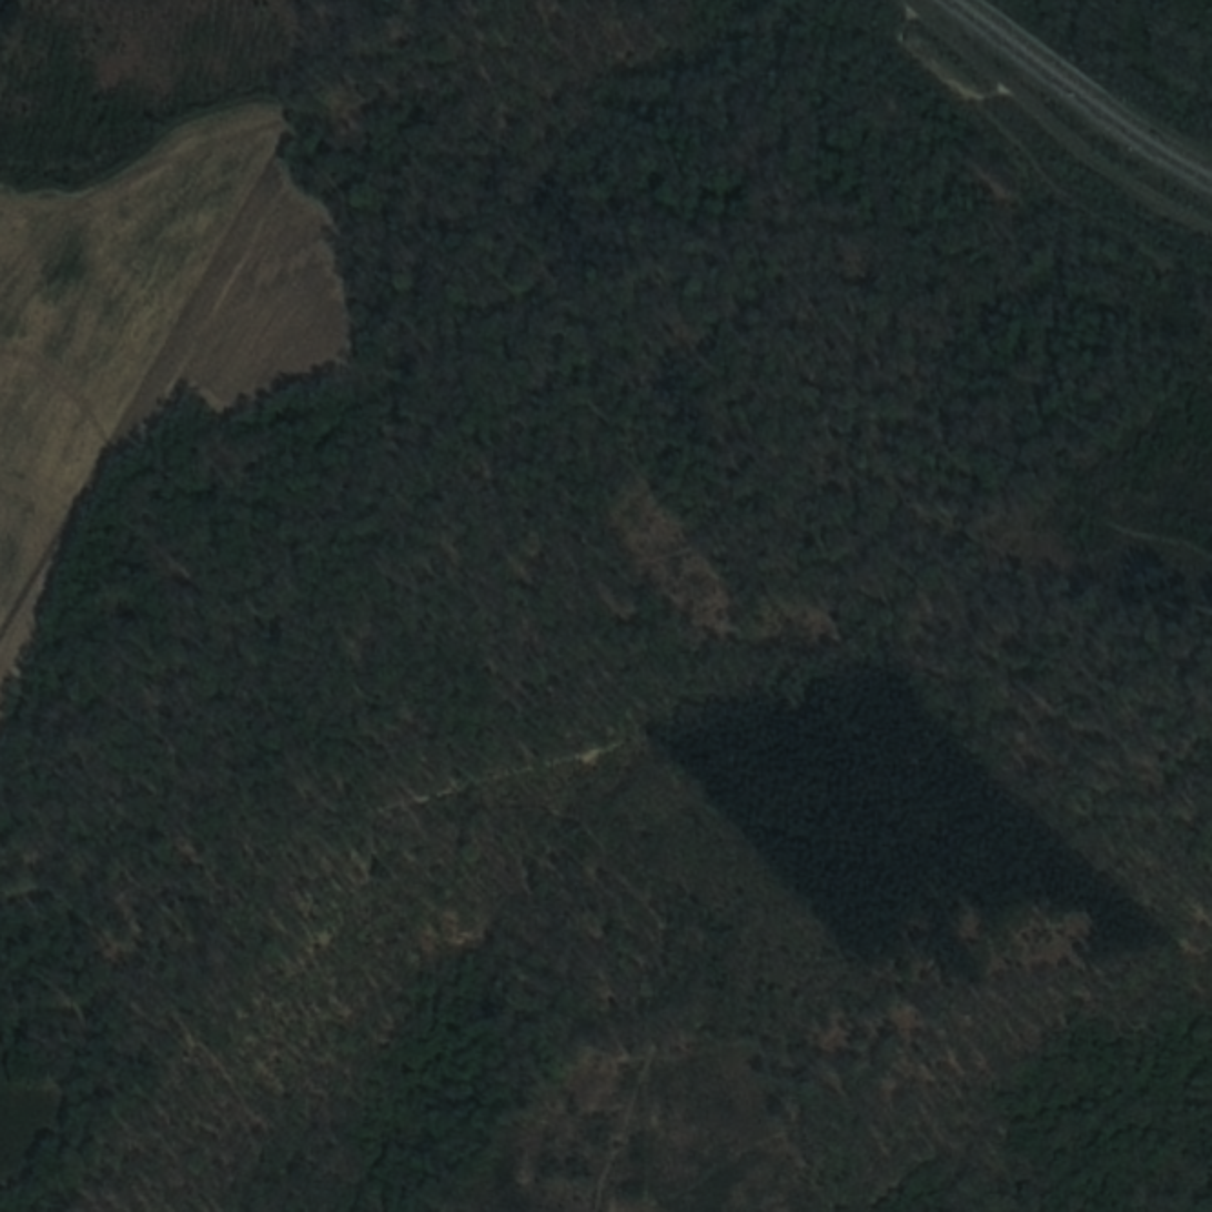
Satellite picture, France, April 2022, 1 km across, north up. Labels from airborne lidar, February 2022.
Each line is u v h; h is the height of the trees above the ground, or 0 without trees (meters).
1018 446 30
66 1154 23
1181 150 0
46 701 24
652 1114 0
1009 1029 30
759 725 28
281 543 30
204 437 23
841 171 28
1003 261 29
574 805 12
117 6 7
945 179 35
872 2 18
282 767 25
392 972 27
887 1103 29
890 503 27
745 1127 0
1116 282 28
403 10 30
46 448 0
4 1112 0
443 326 24
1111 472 7
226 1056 22
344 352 0
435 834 19
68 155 6
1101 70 20
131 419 0
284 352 0
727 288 30
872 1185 28
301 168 24
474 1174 19
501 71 26
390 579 31
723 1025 14
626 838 18
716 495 22
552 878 15
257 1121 26
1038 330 28
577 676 22
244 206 0
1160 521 8
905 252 32
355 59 26
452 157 27
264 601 27
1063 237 24
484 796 12
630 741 10
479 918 27
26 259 0
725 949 10
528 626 28
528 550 32
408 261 31
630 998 28
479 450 26
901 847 25
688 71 20
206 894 30
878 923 32
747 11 11
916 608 26
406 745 23
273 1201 30
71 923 11
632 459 13
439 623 29
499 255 22
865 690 30
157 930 32
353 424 20
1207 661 26
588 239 26
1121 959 29
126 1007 26
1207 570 0
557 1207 0
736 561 23
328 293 0
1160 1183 22
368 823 24
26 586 0
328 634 28
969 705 24
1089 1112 19
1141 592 12
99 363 0
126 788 29
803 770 28
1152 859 27
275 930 26
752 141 30
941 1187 27
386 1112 27
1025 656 20
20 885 21
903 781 30
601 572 27
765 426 23
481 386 31
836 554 26
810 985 11
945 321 35
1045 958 0
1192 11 14
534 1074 26
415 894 25
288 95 25
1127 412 20
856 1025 15
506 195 28
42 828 27
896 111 26
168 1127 27
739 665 25
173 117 8
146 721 30
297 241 0
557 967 18
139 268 0
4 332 0
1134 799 19
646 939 18
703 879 13
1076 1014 27
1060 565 0
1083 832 22
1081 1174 16
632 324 27
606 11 32
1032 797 24
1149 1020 31
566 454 28
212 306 0
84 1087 27
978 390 28
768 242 32
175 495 29
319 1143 33
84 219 0
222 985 29
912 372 30
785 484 26
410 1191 25
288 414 11
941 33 0
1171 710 25
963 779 24
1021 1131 22
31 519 0
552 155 23
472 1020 25
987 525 21
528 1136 0
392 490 29
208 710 28
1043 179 9
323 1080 26
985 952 10
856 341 33
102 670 31
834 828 26
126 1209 26
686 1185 0
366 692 31
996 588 30
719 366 26
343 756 29
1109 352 30
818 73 26
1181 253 10
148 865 29
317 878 23
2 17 23
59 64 6
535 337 19
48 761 29
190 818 26
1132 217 10
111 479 21
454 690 27
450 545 32
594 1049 26
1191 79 23
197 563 28
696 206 22
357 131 21
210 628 28
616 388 21
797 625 0
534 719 28
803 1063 15
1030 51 0
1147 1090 7
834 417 29
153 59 0
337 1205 27
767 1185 0
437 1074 19
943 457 20
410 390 25
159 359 0
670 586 0
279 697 29
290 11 0
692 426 29
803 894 24
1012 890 25
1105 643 26
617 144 32
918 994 15
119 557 16
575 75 29
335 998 14
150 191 0
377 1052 31
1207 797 28
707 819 16
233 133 0
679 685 28
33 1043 28
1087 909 20
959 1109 24
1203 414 6
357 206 23
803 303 25
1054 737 24
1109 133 0
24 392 0
